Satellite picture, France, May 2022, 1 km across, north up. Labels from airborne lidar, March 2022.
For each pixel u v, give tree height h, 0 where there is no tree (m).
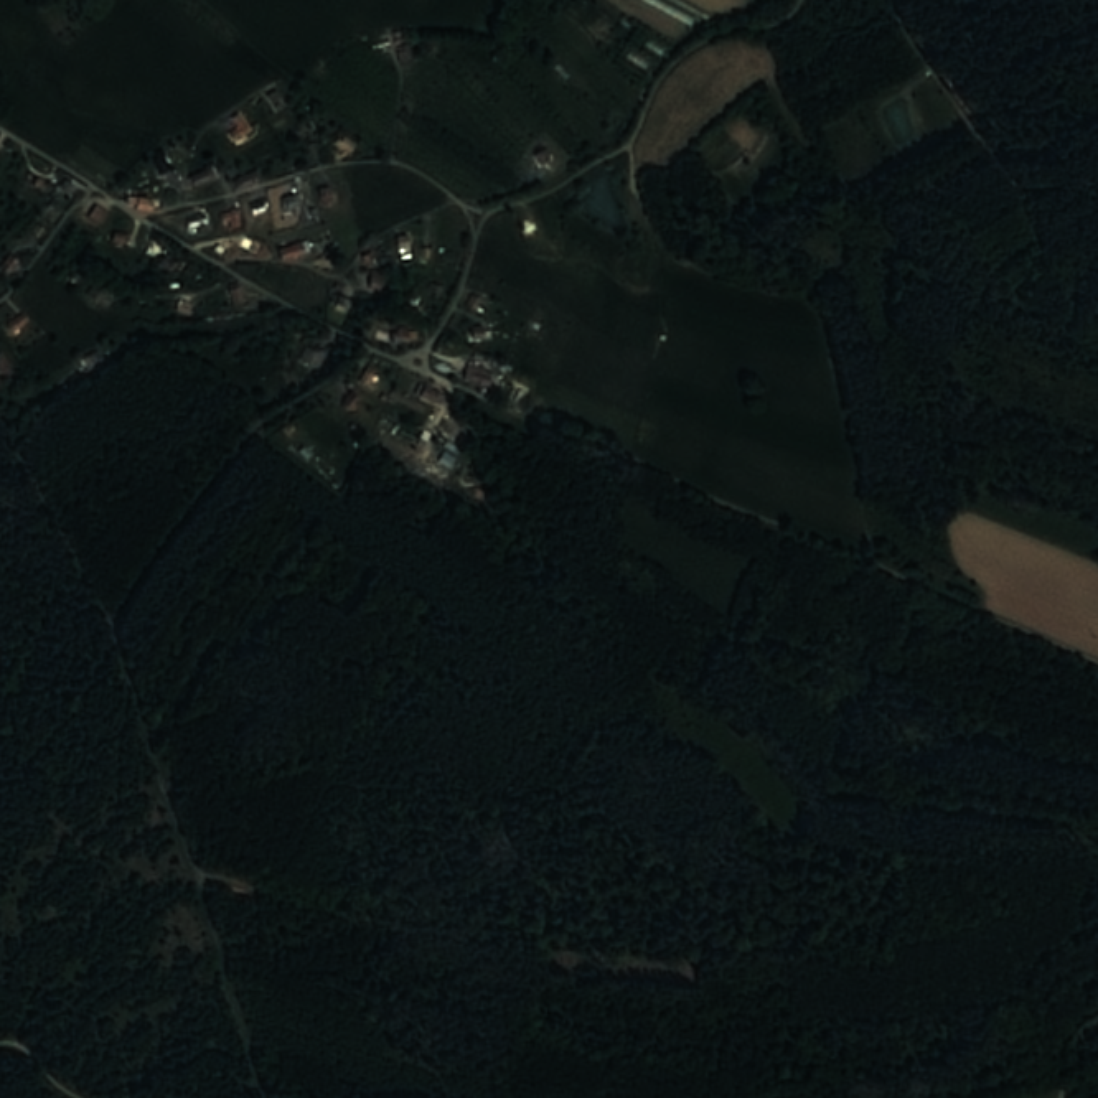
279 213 0
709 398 0
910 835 27
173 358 13
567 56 0
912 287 22
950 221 17
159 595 20
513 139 0
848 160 0
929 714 28
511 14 25
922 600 23
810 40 9
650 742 25
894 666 13
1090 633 0
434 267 0
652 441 0
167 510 14
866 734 31
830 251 0
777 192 16
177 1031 7
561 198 0
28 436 17
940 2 30
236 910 14
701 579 0
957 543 0
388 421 0
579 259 0
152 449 17
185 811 11
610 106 0
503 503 22
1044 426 16
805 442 0
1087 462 15
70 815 11
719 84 0
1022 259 16
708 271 23
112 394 16
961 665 12
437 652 13
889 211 26
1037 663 18
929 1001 20
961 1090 15
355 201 0
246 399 17
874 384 28
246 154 0
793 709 14
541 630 12
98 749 12
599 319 0
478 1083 8
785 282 13
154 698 13
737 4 0
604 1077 18
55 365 0
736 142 0
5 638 20
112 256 0
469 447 19
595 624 10
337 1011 12
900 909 16
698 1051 11
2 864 9
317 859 12
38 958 13
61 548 23
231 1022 11
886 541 11
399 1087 9
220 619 16
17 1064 21
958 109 0
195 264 0
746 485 0
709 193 17
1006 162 28
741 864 31
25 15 0
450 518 17
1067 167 29
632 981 25
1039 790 30
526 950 27
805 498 0
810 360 0
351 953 8
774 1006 10
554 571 26
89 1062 7
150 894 14
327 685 24
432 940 28
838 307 22
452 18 0
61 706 14
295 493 12
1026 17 32
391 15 0
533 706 14
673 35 0
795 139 9
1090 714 11
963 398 29
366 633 24
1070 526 0
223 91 0
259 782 12
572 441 28
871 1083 30
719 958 33
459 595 9
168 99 0
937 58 28
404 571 16
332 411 0
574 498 12
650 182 10
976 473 19
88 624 28
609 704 12
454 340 13
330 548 23
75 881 13
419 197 0
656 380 0
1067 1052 14
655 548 0
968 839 18
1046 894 19
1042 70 33
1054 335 15
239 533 13
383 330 0
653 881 27
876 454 23
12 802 20
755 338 0
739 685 31
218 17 0
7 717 15
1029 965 16
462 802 17
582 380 0
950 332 23
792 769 29
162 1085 20
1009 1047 18
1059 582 0
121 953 13
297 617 22
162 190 0
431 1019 26
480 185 0
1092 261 8
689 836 23
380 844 8
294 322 13
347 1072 8
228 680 23
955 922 15
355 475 14
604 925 28
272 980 14
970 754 30
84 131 0
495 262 0
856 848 11
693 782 22
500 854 24
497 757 11
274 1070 17
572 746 14
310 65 0
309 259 0
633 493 9
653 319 0
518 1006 26
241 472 20
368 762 11
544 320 0
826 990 18
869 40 10
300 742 21
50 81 0
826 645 22
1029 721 17
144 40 0
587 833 16
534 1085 16
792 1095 16
